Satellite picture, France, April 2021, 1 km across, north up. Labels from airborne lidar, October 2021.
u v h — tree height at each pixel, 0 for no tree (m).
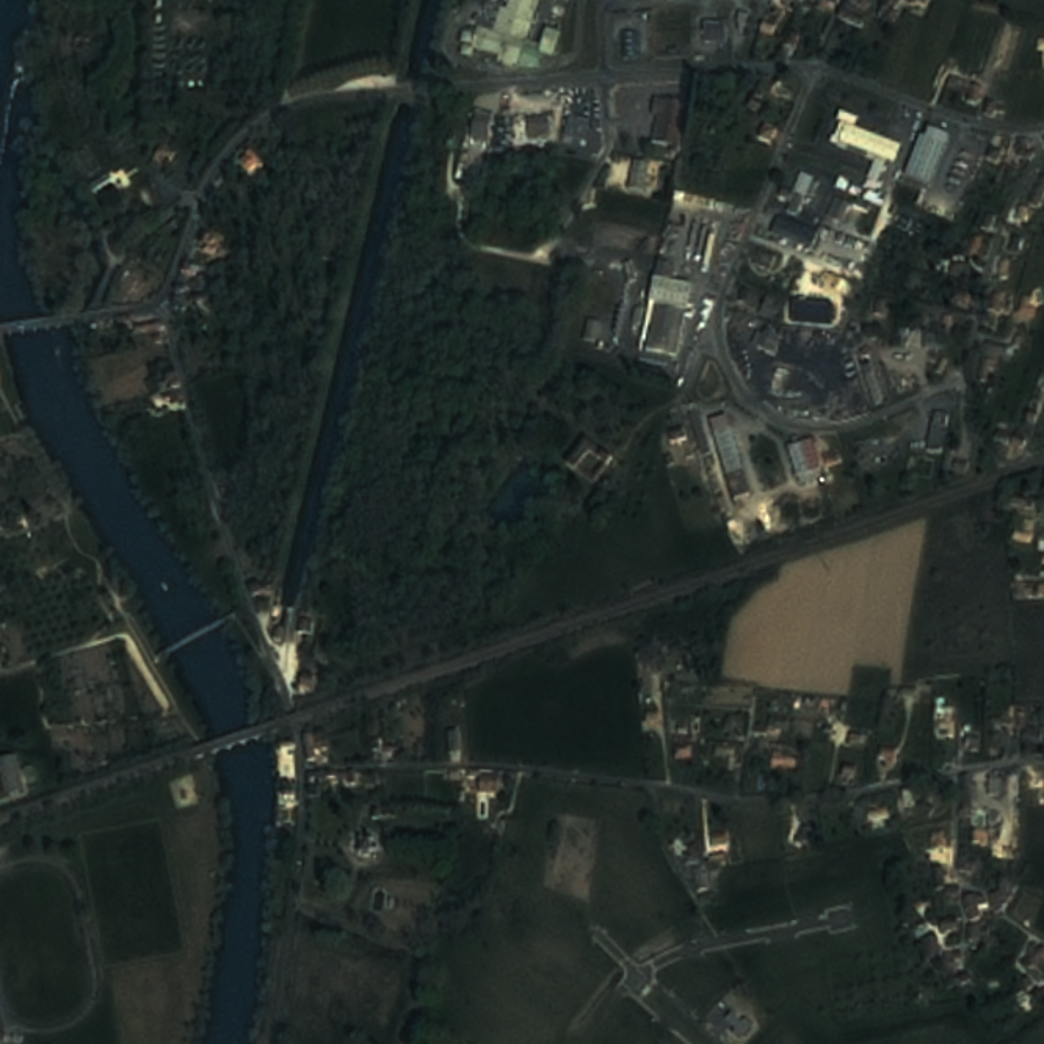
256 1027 9
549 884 0
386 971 0
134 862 0
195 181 14
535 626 13
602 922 0
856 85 0
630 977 0
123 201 13
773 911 0
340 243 23
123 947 0
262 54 20
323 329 17
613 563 0
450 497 27
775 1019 0
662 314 0
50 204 17
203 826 0
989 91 0
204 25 0
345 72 19
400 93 0
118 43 17
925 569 0
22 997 0
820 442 0
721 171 13
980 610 6
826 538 0
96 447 0
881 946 0
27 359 0
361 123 14
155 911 0
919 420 0
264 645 0
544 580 0
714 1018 0
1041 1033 0
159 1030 0
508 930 0
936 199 0
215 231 5
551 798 0
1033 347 0
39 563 9
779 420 0
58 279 0
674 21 0
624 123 0
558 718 0
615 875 0
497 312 24
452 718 0
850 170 0
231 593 12
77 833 0
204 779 0
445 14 14
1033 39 0
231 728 0
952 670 0
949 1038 0
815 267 0
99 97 17
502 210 22
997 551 0
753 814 0
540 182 24
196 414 15
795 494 0
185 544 0
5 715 0
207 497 17
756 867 0
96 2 15
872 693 0
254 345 21
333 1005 0
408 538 20
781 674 0
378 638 21
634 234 0
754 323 0
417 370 17
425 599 20
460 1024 0
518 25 0
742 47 0
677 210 0
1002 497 15
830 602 0
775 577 9
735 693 0
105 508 0
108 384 0
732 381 0
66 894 0
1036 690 0
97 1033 0
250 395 21
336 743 7
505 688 0
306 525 0
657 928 0
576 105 0
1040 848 0
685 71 0
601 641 0
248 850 0
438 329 14
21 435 15
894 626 0
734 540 0
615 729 0
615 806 0
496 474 26
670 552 0
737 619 0
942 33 0
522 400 23
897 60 0
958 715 0
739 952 0
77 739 0
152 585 0
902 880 10
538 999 0
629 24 0
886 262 12
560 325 21
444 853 23
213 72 12
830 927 0
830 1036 0
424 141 16
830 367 0
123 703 0
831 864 0
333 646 18
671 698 9
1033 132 0
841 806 13
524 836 0
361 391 21
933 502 0
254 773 0
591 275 15
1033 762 0
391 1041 0
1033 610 0
